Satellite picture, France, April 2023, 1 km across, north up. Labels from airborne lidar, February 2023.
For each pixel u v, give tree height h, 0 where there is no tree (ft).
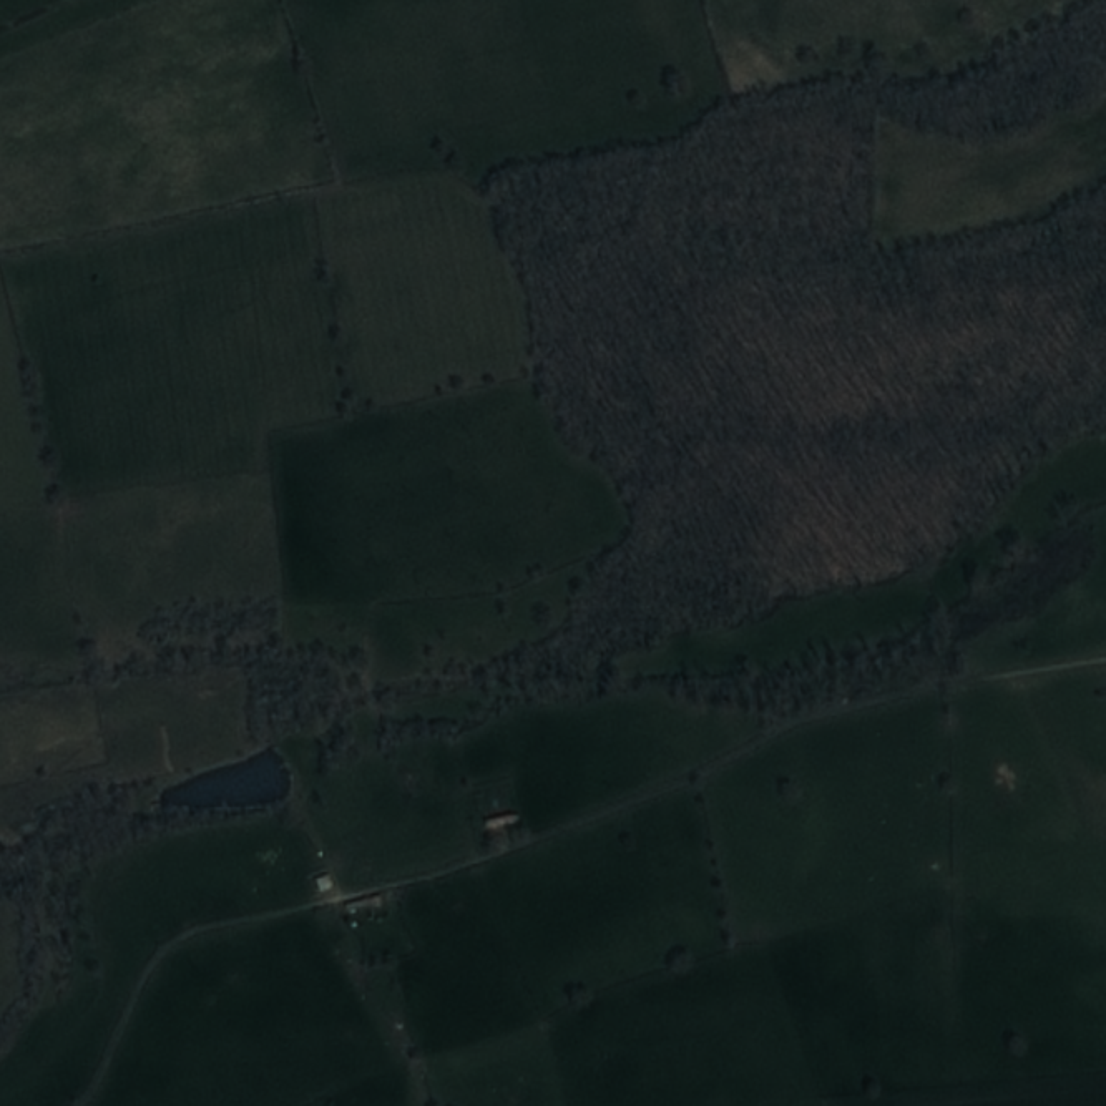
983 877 0
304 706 52
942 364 80
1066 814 0
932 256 60
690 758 0
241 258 0
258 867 0
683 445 83
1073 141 0
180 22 0
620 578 64
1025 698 0
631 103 40
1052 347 85
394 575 0
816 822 0
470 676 45
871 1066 0
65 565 0
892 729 0
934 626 65
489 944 0
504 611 54
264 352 0
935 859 0
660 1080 0
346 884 0
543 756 0
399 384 0
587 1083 0
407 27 0
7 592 0
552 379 66
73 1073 0
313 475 0
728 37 0
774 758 0
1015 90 63
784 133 43
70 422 0
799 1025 0
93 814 64
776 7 0
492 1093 0
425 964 0
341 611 0
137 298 0
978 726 0
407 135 0
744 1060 0
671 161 44
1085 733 0
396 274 0
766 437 90
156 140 0
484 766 0
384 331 0
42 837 49
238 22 0
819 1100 0
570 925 0
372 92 0
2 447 0
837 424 95
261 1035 0
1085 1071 0
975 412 83
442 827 0
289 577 0
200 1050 0
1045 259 65
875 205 51
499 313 0
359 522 0
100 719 0
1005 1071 0
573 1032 0
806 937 0
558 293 65
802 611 0
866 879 0
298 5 0
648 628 62
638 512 61
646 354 91
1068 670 0
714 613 51
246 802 0
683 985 0
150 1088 0
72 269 0
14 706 0
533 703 39
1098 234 65
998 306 70
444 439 0
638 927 0
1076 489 0
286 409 0
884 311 87
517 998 0
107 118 0
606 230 55
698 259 68
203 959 0
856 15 0
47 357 0
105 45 0
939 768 0
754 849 0
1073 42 70
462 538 0
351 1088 0
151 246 0
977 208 0
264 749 35
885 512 86
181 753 0
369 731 0
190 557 0
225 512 0
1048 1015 0
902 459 89
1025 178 0
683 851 0
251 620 39
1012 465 82
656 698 0
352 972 0
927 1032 0
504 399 0
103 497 0
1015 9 0
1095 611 0
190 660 50
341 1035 0
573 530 0
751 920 0
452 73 0
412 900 0
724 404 89
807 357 87
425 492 0
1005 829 0
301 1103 0
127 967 0
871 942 0
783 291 87
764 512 78
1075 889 0
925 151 0
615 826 0
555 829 0
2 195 0
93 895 0
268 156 0
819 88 57
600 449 65
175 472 0
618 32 0
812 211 38
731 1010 0
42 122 0
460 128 0
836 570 79
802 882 0
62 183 0
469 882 0
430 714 0
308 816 0
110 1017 0
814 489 83
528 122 0
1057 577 0
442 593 0
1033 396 79
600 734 0
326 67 0
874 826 0
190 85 0
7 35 0
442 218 0
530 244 76
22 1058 0
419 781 0
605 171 65
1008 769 0
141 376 0
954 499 84
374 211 0
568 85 0
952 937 0
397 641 0
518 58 0
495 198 60
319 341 0
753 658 0
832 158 46
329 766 26
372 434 0
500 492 0
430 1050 0
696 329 79
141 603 0
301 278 0
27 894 57
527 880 0
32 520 0
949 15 0
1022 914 0
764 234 50
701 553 78
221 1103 0
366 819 0
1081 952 0
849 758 0
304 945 0
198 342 0
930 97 64
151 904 0
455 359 0
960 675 20
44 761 0
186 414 0
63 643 0
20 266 0
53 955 64
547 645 33
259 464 0
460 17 0
